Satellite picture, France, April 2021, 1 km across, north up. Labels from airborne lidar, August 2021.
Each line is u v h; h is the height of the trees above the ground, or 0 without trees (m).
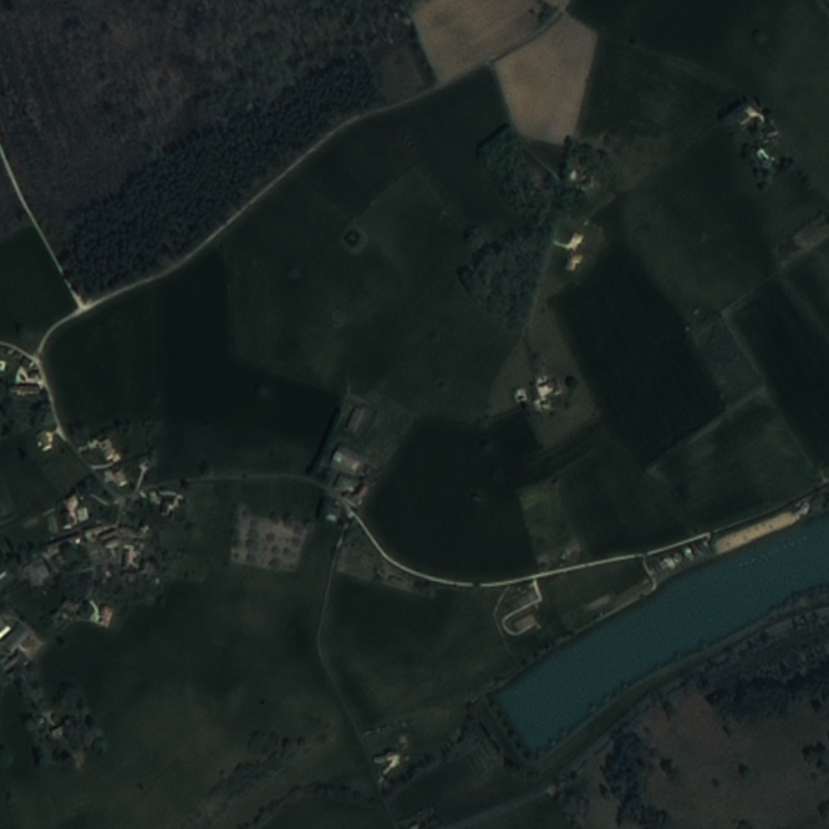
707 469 0
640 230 0
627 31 0
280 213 0
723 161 0
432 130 0
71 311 0
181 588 0
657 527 0
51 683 0
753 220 0
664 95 0
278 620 0
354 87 22
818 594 8
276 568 13
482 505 0
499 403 0
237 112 14
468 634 0
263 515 0
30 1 7
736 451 0
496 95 0
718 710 24
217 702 0
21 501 0
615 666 0
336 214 0
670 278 0
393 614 0
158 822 0
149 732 0
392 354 0
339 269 0
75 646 0
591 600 0
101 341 0
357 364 0
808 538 0
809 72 0
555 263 0
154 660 0
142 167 12
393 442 0
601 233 0
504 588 0
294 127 19
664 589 0
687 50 0
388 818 0
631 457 0
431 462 0
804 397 0
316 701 0
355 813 0
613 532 0
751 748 0
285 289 0
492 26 0
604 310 0
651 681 0
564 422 0
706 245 0
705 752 0
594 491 0
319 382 0
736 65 0
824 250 0
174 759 0
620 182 0
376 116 0
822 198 0
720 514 0
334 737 0
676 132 0
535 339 0
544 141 0
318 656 0
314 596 0
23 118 17
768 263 0
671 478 0
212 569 0
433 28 0
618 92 0
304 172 0
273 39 11
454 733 0
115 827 0
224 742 0
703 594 0
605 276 0
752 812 0
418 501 0
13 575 12
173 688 0
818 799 0
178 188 20
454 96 0
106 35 6
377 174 0
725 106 0
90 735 18
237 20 23
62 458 0
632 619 0
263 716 0
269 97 22
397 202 0
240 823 0
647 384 0
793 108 0
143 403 0
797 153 0
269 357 0
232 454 0
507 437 0
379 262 0
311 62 21
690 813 0
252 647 0
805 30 0
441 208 0
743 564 0
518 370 0
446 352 0
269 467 0
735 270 0
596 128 0
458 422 0
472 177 0
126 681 0
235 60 11
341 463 0
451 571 0
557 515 0
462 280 16
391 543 0
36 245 0
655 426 0
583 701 0
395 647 0
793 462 0
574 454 0
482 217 0
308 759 0
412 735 0
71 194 7
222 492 0
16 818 0
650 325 0
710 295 0
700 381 0
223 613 0
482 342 0
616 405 0
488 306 18
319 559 0
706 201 0
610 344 0
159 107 9
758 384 6
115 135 8
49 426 17
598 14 0
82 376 0
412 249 0
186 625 0
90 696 0
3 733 0
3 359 0
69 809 0
